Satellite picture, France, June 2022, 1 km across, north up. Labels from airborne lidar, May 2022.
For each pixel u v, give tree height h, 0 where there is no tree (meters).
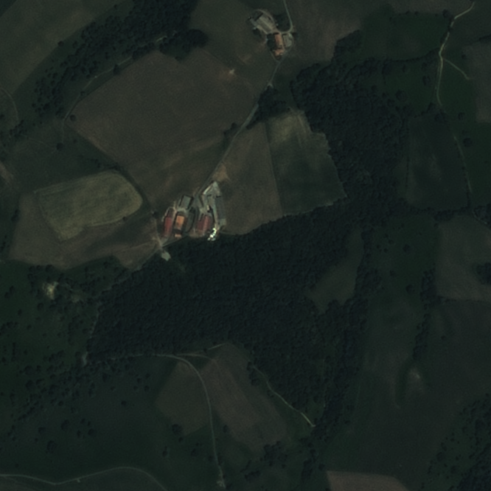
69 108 0
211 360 0
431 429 0
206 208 0
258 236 19
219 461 7
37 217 0
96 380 0
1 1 0
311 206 0
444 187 0
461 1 0
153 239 0
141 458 0
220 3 0
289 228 10
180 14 22
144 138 0
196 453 14
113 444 0
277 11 0
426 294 16
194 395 0
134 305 24
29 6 0
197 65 0
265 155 0
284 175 0
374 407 0
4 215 0
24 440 0
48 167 0
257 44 0
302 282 17
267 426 0
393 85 0
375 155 23
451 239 0
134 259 0
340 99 23
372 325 0
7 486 0
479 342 0
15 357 10
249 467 10
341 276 0
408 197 0
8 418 0
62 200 0
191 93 0
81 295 0
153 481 0
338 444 0
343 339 7
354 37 10
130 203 0
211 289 19
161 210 0
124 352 15
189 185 0
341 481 0
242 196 0
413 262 0
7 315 0
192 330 9
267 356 22
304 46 0
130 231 0
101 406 0
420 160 0
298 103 15
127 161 0
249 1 0
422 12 0
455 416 0
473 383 0
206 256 21
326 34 0
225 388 0
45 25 0
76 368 9
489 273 17
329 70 15
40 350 0
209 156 0
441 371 0
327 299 0
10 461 0
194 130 0
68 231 0
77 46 14
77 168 0
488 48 0
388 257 0
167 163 0
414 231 0
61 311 12
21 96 0
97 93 0
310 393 15
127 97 0
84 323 12
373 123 19
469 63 0
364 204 21
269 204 0
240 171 0
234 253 16
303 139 0
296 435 0
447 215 22
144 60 0
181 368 0
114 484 0
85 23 0
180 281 22
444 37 8
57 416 0
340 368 8
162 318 21
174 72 0
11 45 0
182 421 0
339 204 15
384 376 0
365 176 17
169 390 0
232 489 16
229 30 0
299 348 19
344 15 0
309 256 19
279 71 0
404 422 0
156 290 23
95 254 0
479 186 0
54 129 0
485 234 0
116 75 7
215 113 0
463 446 0
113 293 8
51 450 14
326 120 21
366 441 0
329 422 13
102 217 0
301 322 18
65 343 0
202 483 0
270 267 23
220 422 0
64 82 9
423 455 0
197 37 19
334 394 9
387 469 0
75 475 0
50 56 0
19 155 0
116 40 9
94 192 0
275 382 11
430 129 0
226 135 7
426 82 13
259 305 23
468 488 29
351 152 27
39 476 0
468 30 0
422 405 0
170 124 0
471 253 0
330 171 0
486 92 0
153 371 0
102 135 0
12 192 0
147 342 19
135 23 20
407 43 0
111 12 0
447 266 0
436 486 0
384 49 0
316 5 0
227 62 0
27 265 0
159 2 25
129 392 0
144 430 0
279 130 0
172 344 17
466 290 0
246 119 0
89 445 0
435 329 0
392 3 0
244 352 0
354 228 13
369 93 11
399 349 0
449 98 0
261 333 19
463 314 0
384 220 16
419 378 0
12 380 0
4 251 14
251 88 0
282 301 19
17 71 0
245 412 0
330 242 14
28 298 0
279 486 0
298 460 0
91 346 16
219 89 0
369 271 8
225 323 20
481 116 0
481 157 0
